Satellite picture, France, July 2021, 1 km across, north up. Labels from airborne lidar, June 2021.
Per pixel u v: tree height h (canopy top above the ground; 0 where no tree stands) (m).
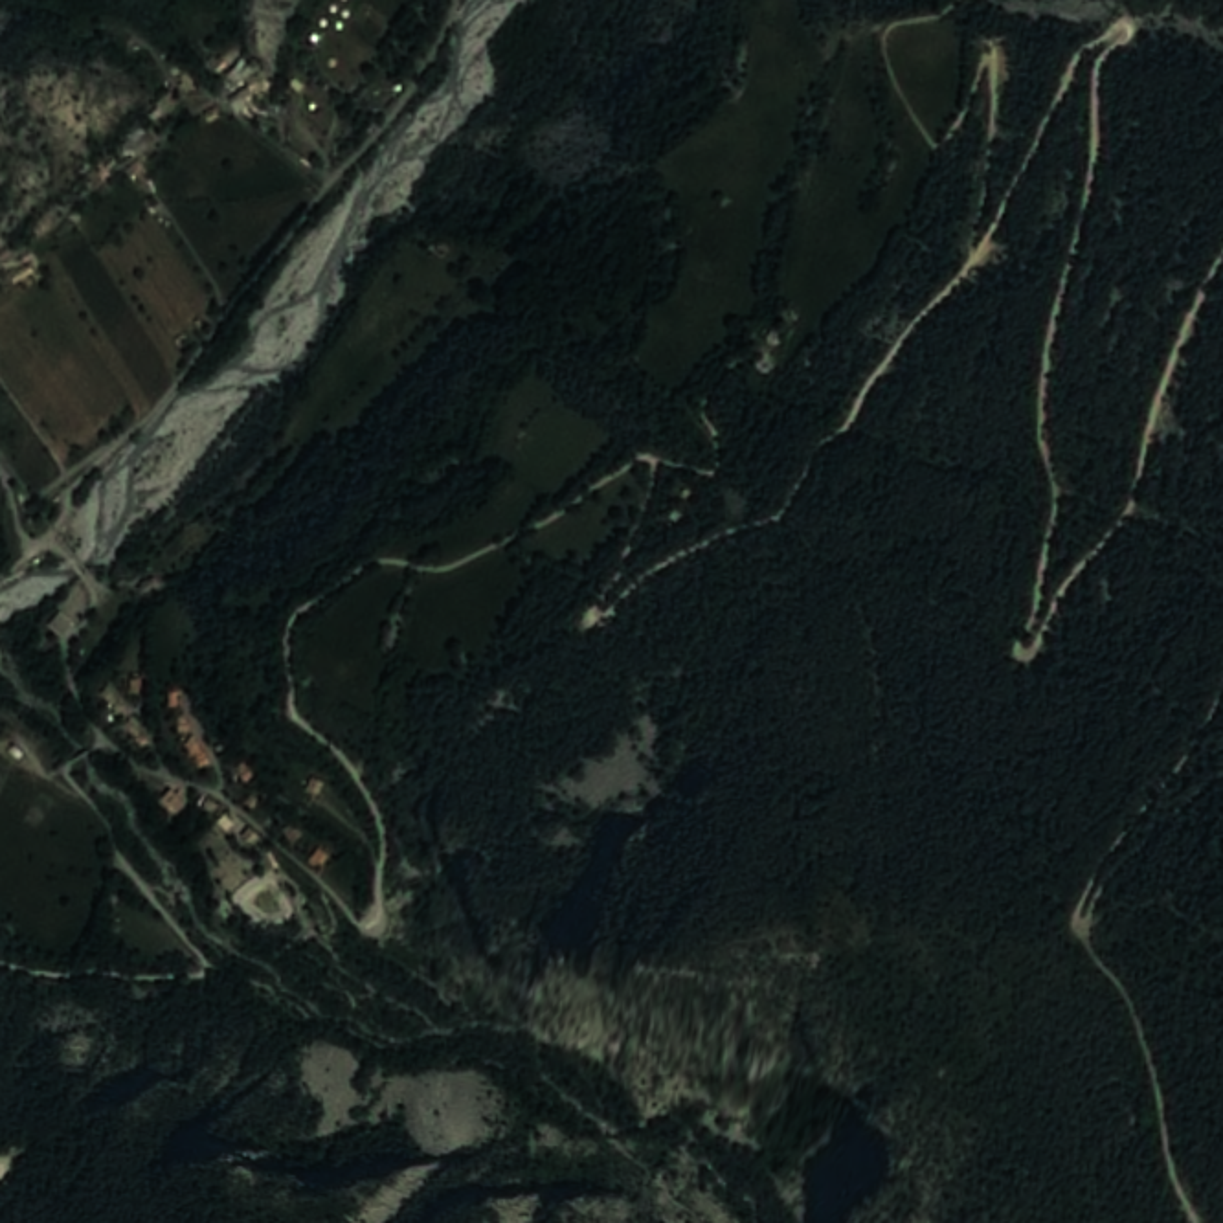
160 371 0
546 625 11
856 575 10
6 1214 10
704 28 7
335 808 0
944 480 12
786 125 0
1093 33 7
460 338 18
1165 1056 8
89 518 0
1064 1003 9
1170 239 11
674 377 0
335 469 13
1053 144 10
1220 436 12
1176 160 11
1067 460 15
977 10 6
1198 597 16
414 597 10
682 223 12
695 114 8
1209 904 11
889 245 8
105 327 0
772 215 10
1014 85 6
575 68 13
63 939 0
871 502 10
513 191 18
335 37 0
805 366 5
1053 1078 10
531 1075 8
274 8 0
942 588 12
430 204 11
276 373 0
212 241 0
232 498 12
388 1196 0
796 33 0
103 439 8
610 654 11
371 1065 8
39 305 0
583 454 0
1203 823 7
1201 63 10
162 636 0
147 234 0
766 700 10
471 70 0
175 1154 15
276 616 9
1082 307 7
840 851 9
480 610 0
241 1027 6
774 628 11
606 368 14
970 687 13
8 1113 8
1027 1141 11
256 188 0
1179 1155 10
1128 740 15
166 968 6
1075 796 16
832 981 6
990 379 11
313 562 10
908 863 12
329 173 0
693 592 9
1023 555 10
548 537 0
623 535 12
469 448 13
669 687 10
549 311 17
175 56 9
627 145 13
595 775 0
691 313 0
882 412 10
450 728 9
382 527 13
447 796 6
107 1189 9
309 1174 7
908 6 9
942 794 17
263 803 8
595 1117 6
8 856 0
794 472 14
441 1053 10
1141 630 11
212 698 10
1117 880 7
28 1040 12
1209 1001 9
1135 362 10
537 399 0
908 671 11
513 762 11
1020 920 10
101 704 7
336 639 0
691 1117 14
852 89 0
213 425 0
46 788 0
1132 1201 7
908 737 13
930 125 0
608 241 22
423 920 8
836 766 10
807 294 0
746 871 11
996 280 12
